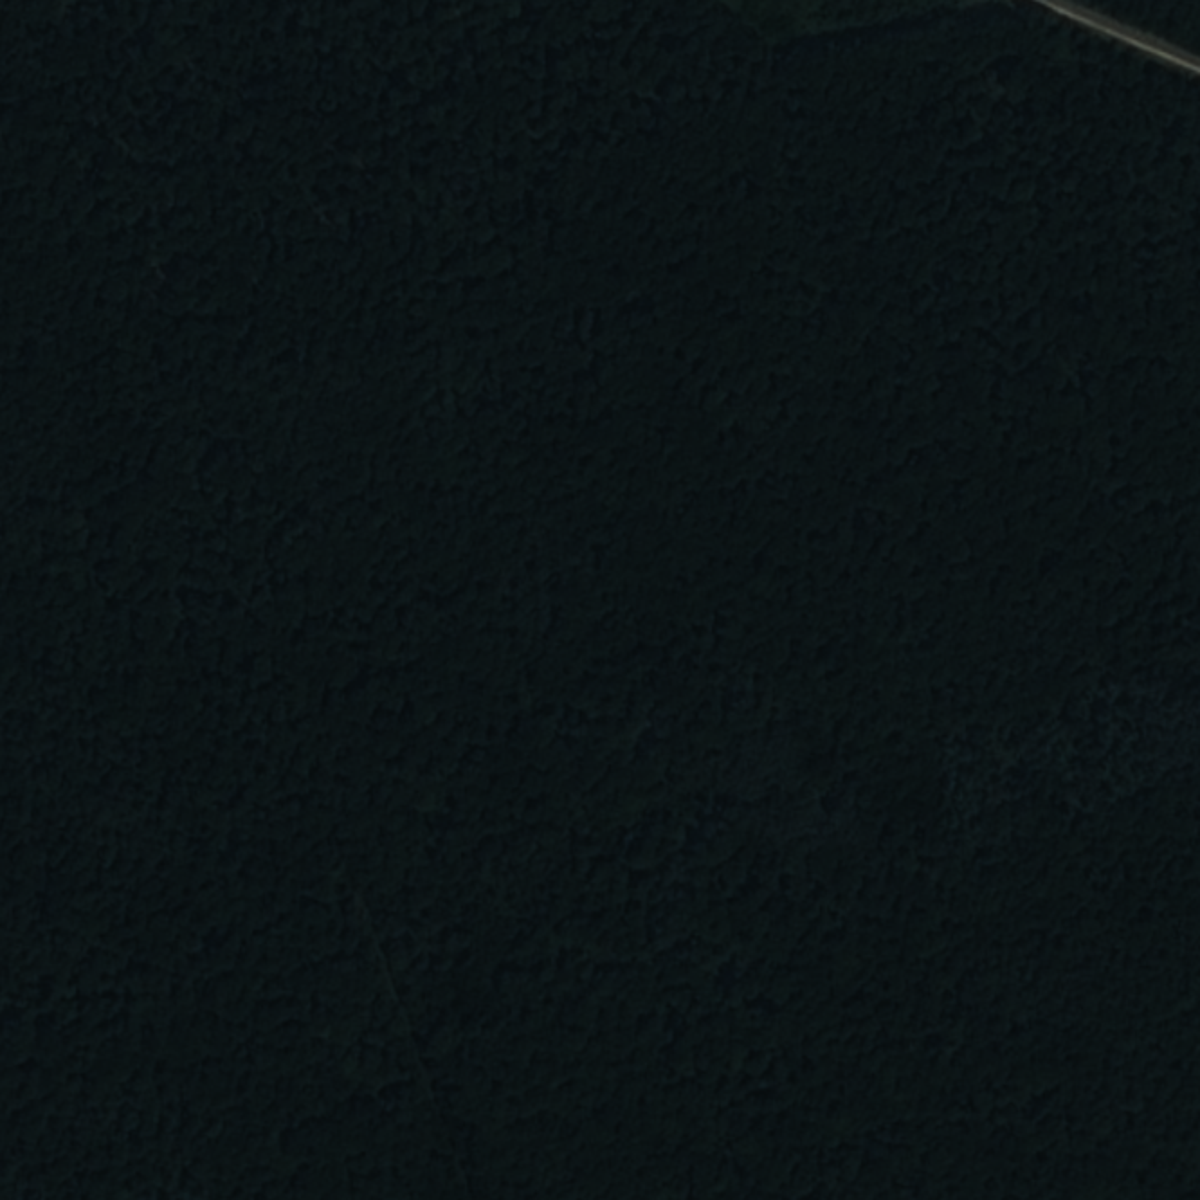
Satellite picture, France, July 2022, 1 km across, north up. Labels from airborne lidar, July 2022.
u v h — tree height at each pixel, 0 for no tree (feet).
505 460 71
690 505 75
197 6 87
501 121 95
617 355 93
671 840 65
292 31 85
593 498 73
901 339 77
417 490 81
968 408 92
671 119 89
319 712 77
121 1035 85
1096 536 83
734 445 90
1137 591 82
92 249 72
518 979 65
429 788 78
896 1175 52
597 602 74
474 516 81
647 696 85
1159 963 69
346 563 85
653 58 69
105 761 76
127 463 76
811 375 90
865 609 82
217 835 83
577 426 89
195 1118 89
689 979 75
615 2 92
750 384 82
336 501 78
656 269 87
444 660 83
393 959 71
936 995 71
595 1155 72
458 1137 35
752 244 90
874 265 77
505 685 61
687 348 83
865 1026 74
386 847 81
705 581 79
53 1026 75
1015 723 48
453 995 30
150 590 83
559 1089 79
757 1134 92
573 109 100
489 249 97
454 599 88
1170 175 88
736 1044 80
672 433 86
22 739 68
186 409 62
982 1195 71
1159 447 86
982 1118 82
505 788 86
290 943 65
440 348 90
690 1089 80
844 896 85
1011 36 69
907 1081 83
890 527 80
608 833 50
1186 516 85
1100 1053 64
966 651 81
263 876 76
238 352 84
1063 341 93
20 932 78
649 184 89
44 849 73
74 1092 34
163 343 71
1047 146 72
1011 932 62
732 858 88
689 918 77
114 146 80
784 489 92
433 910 39
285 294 79
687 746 72
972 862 72
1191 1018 62
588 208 86
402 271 64
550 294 87
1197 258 82
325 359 86
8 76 93
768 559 96
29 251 67
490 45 102
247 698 78
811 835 79
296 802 74
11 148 81
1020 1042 81
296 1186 81
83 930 64
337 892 66
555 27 96
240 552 82
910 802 60
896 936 85
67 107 64
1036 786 67
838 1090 68
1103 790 52
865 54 78
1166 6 78
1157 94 73
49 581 95
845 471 66
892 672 84
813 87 93
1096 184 78
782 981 89
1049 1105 62
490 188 91
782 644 68
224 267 78
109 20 73
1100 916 55
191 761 72
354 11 51
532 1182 74
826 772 65
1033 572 75
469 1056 61
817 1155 73
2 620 86
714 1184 69
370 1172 71
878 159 85
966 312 90
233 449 104
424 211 95
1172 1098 73
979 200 93
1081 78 85
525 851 66
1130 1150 87
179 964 80
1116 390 97
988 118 77
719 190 78
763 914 72
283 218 83
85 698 67
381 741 89
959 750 93
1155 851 63
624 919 66
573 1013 71
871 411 80
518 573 50
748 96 99
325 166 78
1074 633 74
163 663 78
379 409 76
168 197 79
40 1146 75
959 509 87
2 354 72
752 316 76
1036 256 82
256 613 74
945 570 78
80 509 84
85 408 50
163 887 79
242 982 55
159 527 87
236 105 92
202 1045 69
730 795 35
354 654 47
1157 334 78
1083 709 59
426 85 26
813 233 74
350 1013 84
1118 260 88
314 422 83
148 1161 87
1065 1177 75
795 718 77
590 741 84
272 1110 80
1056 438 64
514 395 81
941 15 52
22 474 76
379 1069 77
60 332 81
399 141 87
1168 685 44
